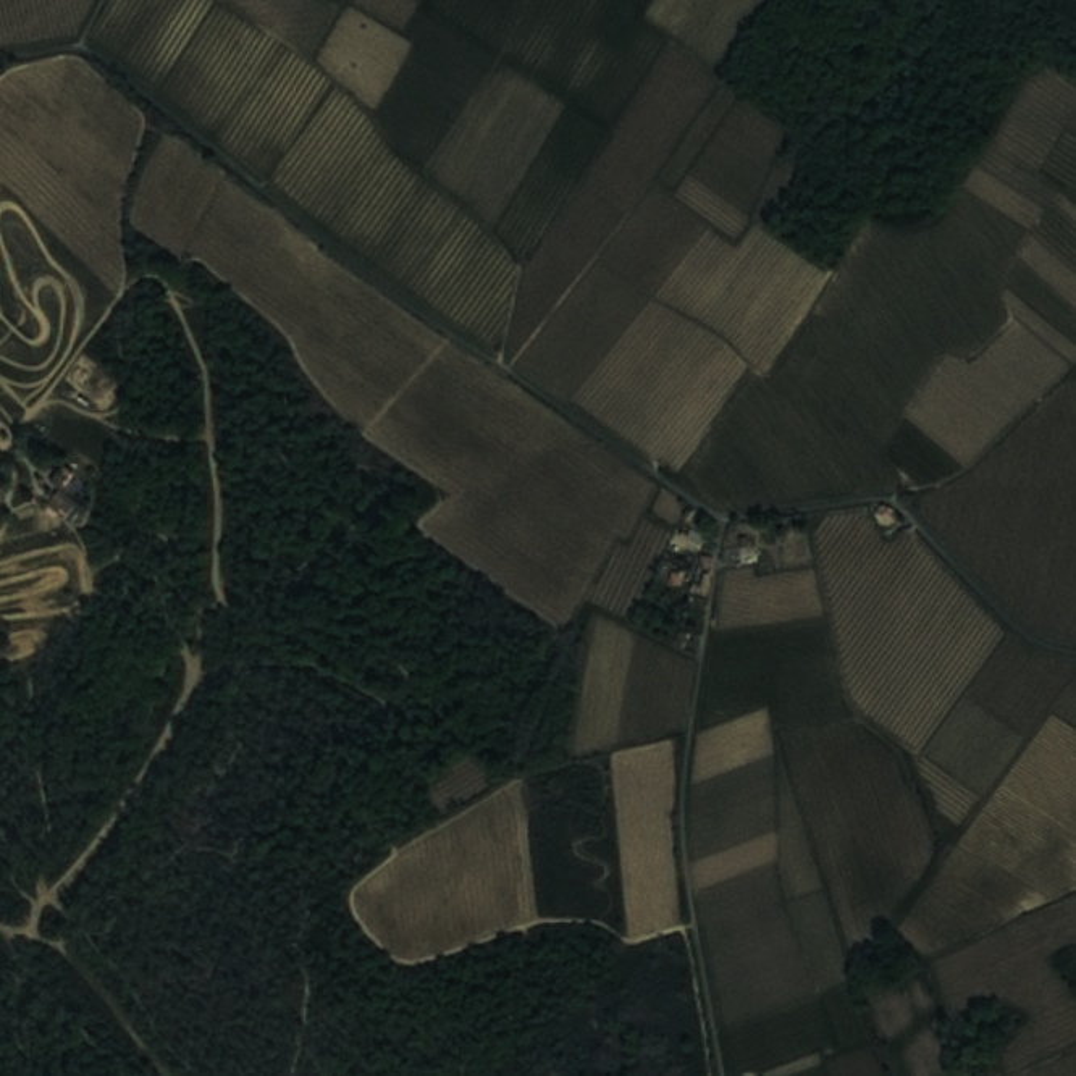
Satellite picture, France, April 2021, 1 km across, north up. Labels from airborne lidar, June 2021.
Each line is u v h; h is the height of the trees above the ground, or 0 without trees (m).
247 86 0
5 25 0
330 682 7
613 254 0
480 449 0
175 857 16
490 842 0
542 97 0
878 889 0
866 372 0
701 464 0
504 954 13
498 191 0
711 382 0
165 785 25
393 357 0
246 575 13
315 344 0
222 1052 19
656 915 0
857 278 0
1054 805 0
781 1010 0
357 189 0
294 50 0
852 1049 0
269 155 0
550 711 14
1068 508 0
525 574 0
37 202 0
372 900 0
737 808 0
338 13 0
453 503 0
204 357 8
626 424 0
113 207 0
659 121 0
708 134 0
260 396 18
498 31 0
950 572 0
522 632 11
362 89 0
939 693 0
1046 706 0
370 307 0
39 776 15
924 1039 0
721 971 0
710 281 0
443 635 14
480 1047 18
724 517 0
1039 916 0
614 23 0
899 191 17
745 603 0
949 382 0
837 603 0
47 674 17
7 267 0
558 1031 7
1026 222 0
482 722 24
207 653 11
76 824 20
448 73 0
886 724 0
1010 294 0
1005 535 0
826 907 0
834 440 0
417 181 0
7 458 9
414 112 0
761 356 0
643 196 0
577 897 0
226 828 19
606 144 0
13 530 0
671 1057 7
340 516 27
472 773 0
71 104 0
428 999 16
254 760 11
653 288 0
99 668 23
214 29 0
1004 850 0
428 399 0
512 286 0
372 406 0
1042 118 0
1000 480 0
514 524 0
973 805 0
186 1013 12
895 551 0
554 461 0
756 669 0
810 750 0
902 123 26
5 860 11
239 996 7
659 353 0
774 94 16
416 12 0
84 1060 16
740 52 13
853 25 21
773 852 0
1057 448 0
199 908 15
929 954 0
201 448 17
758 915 0
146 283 10
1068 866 0
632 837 0
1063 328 0
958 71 23
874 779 0
